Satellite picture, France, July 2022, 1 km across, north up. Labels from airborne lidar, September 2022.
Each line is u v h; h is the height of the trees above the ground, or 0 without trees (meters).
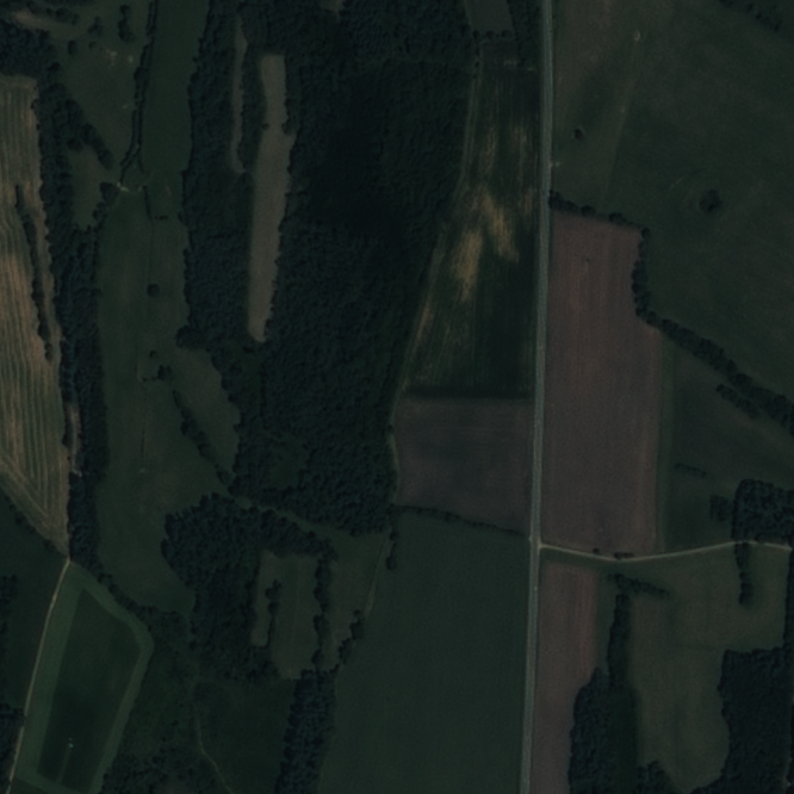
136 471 0
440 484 0
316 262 23
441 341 0
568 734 0
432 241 7
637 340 0
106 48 0
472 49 17
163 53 0
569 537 0
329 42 10
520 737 0
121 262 0
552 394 0
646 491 0
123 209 0
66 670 0
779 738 25
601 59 0
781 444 0
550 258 0
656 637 0
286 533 22
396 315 8
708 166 0
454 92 6
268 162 0
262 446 15
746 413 13
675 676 0
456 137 11
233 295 19
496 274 0
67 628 0
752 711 26
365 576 0
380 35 23
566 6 0
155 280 0
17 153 0
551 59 0
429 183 7
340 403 22
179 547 22
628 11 0
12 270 0
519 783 0
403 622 0
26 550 0
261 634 0
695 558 0
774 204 0
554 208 15
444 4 23
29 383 0
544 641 0
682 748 0
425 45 24
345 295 21
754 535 20
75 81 0
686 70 0
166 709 0
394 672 0
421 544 0
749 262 0
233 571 21
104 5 0
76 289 34
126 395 0
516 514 0
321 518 13
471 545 0
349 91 24
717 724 0
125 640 0
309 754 40
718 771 0
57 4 15
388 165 10
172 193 0
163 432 0
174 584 0
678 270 0
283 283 17
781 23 6
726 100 0
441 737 0
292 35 26
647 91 0
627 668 10
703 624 0
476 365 0
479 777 0
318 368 24
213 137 21
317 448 15
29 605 0
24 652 0
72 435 8
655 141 0
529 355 0
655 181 0
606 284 0
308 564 0
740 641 0
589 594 0
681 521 0
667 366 0
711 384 0
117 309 0
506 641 0
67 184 21
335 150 8
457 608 0
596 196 0
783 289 0
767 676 28
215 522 25
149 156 0
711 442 0
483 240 0
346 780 0
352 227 14
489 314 0
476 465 0
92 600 0
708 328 0
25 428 0
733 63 0
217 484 0
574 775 17
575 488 0
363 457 19
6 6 24
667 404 0
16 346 0
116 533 0
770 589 0
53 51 21
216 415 0
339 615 0
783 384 0
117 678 0
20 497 0
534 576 0
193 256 21
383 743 0
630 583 7
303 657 0
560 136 0
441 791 0
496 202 0
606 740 31
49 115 19
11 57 23
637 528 0
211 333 25
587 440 0
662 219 0
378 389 6
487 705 0
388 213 15
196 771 15
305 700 36
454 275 0
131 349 0
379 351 15
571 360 0
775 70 0
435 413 0
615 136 0
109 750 0
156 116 0
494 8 0
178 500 0
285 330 22
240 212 6
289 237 20
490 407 0
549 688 0
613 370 0
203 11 0
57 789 0
